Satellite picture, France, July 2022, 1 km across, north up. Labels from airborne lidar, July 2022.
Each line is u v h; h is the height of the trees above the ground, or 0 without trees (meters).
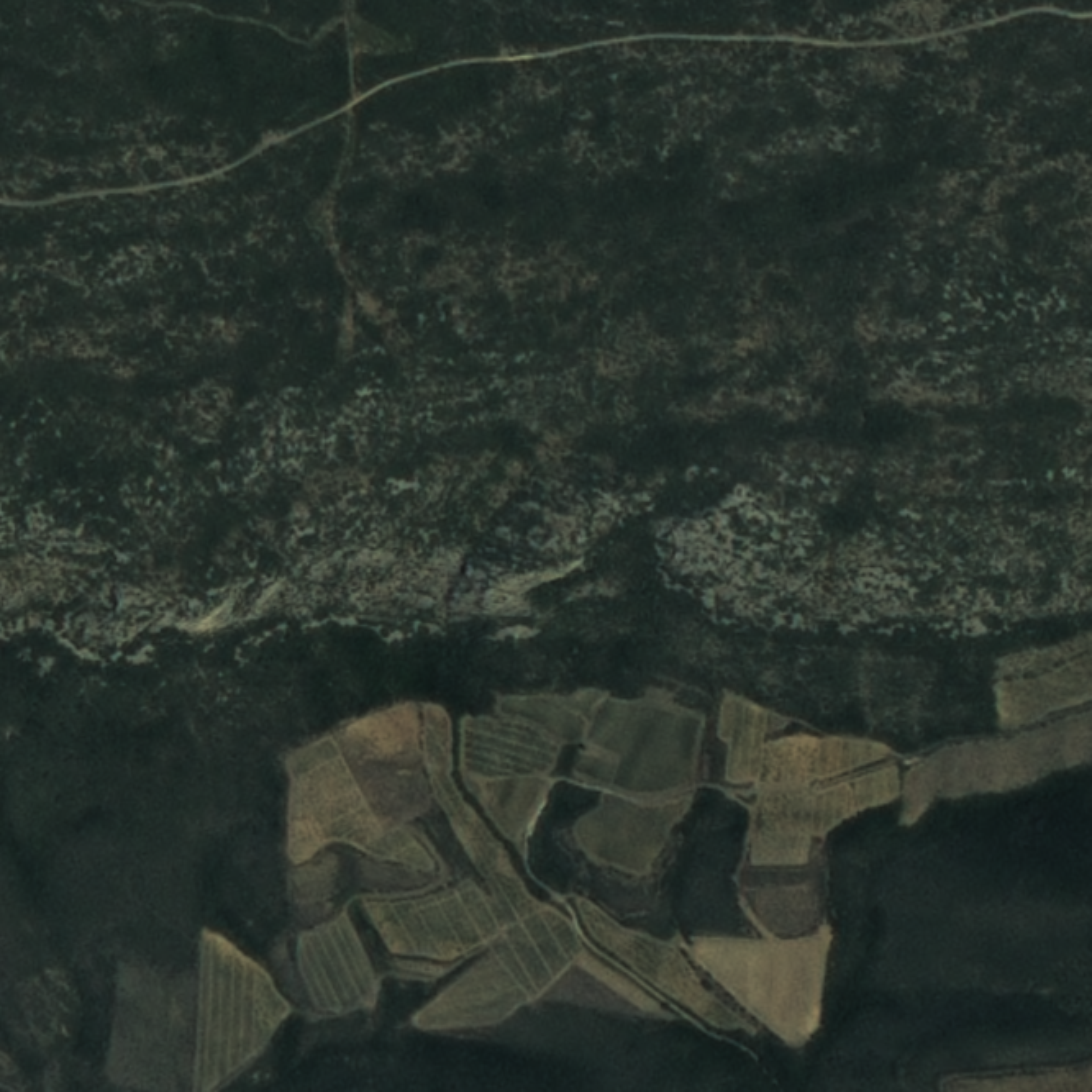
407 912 0
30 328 0
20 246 0
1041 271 0
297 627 7
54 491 0
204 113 0
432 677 7
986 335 0
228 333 0
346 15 0
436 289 0
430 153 0
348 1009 0
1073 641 0
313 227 0
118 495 0
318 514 0
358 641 6
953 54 0
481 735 0
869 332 0
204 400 0
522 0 0
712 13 0
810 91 0
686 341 0
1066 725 0
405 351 0
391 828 0
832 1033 7
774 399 0
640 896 0
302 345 0
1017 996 6
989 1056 0
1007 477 0
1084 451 0
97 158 0
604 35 0
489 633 6
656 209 0
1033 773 0
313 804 0
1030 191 0
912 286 0
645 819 0
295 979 0
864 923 5
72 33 0
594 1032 0
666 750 0
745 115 0
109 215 0
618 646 6
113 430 0
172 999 0
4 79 0
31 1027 0
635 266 0
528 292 0
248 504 0
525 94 0
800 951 0
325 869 0
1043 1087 0
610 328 0
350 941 0
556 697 0
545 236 0
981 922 0
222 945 0
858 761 0
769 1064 12
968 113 0
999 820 5
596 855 0
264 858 0
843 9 0
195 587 0
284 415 0
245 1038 0
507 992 0
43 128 0
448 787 0
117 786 0
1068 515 0
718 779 0
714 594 0
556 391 0
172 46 0
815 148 0
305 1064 6
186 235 0
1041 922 0
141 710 0
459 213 0
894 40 0
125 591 0
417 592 6
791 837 0
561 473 0
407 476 0
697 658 0
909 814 0
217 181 0
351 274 0
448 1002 0
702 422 0
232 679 0
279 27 0
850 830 6
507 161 0
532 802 0
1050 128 0
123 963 0
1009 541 0
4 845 5
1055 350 0
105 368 0
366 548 0
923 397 0
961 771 0
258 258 0
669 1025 6
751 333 0
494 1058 6
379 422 0
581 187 0
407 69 0
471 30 0
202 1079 0
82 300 0
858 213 0
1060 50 0
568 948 0
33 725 6
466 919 0
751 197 0
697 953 0
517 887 0
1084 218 0
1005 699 0
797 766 0
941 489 0
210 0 0
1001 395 0
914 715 0
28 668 6
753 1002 0
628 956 0
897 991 6
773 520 0
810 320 0
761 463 0
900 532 0
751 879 0
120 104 0
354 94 0
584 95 0
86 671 6
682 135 0
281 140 0
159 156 0
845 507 0
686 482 0
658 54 0
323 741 0
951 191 0
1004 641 8
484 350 0
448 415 0
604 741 0
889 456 0
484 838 0
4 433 0
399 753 0
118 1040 0
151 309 0
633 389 0
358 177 0
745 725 0
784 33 0
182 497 0
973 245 0
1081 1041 0
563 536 0
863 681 0
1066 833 5
